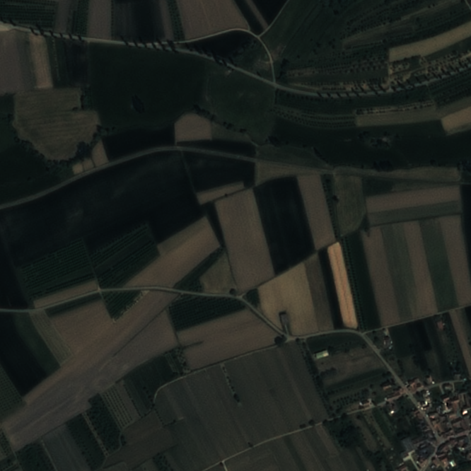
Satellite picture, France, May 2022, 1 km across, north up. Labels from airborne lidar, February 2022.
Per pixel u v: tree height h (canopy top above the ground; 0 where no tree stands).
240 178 0
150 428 0
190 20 0
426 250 0
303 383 0
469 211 0
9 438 0
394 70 0
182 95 0
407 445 0
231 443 0
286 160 0
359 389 0
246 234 0
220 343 0
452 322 0
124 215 0
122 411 0
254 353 0
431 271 0
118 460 0
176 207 0
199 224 0
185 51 0
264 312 0
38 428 0
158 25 0
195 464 0
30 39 0
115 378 0
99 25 0
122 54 0
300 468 0
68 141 0
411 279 0
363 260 0
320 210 0
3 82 0
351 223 0
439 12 0
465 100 0
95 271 0
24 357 0
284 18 0
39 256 0
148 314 0
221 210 0
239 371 0
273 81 0
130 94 0
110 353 0
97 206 0
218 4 0
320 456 0
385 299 0
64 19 0
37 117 0
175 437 0
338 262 0
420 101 10
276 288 0
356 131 0
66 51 0
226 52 0
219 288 0
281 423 0
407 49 0
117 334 0
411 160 0
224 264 0
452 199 0
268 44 0
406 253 0
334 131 0
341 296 0
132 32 0
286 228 0
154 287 0
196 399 0
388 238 0
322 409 0
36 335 0
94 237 0
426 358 0
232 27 0
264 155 0
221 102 0
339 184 0
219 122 0
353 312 0
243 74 0
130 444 0
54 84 0
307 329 0
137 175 0
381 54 0
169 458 0
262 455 0
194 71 0
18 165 0
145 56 0
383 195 0
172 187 0
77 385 0
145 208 0
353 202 0
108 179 0
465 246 0
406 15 0
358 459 0
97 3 0
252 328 0
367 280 0
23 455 0
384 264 0
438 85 0
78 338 0
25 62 0
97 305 0
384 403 0
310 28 0
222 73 0
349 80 0
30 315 0
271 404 0
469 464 9
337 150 0
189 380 0
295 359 0
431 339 0
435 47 0
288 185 0
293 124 0
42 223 0
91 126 0
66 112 0
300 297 0
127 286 0
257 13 0
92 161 0
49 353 0
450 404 0
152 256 0
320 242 0
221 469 0
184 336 0
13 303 0
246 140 0
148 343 0
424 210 0
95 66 0
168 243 0
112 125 0
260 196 0
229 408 0
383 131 0
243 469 0
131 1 0
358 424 0
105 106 0
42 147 0
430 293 0
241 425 0
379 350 0
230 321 0
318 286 0
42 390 0
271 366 0
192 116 0
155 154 0
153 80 0
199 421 0
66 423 0
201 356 0
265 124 0
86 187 0
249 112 0
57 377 0
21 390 0
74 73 0
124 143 0
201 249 0
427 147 0
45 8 0
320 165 0
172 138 0
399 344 0
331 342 0
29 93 0
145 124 0
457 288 0
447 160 0
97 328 0
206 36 0
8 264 0
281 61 0
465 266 0
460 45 0
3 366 0
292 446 0
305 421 0
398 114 0
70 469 0
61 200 0
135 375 0
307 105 0
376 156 0
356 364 0
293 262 0
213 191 0
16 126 0
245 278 0
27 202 0
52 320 0
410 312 0
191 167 0
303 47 0
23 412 0
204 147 0
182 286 0
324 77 0
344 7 13
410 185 0
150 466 0
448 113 0
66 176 0
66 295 0
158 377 0
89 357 0
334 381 0
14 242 0
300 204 0
